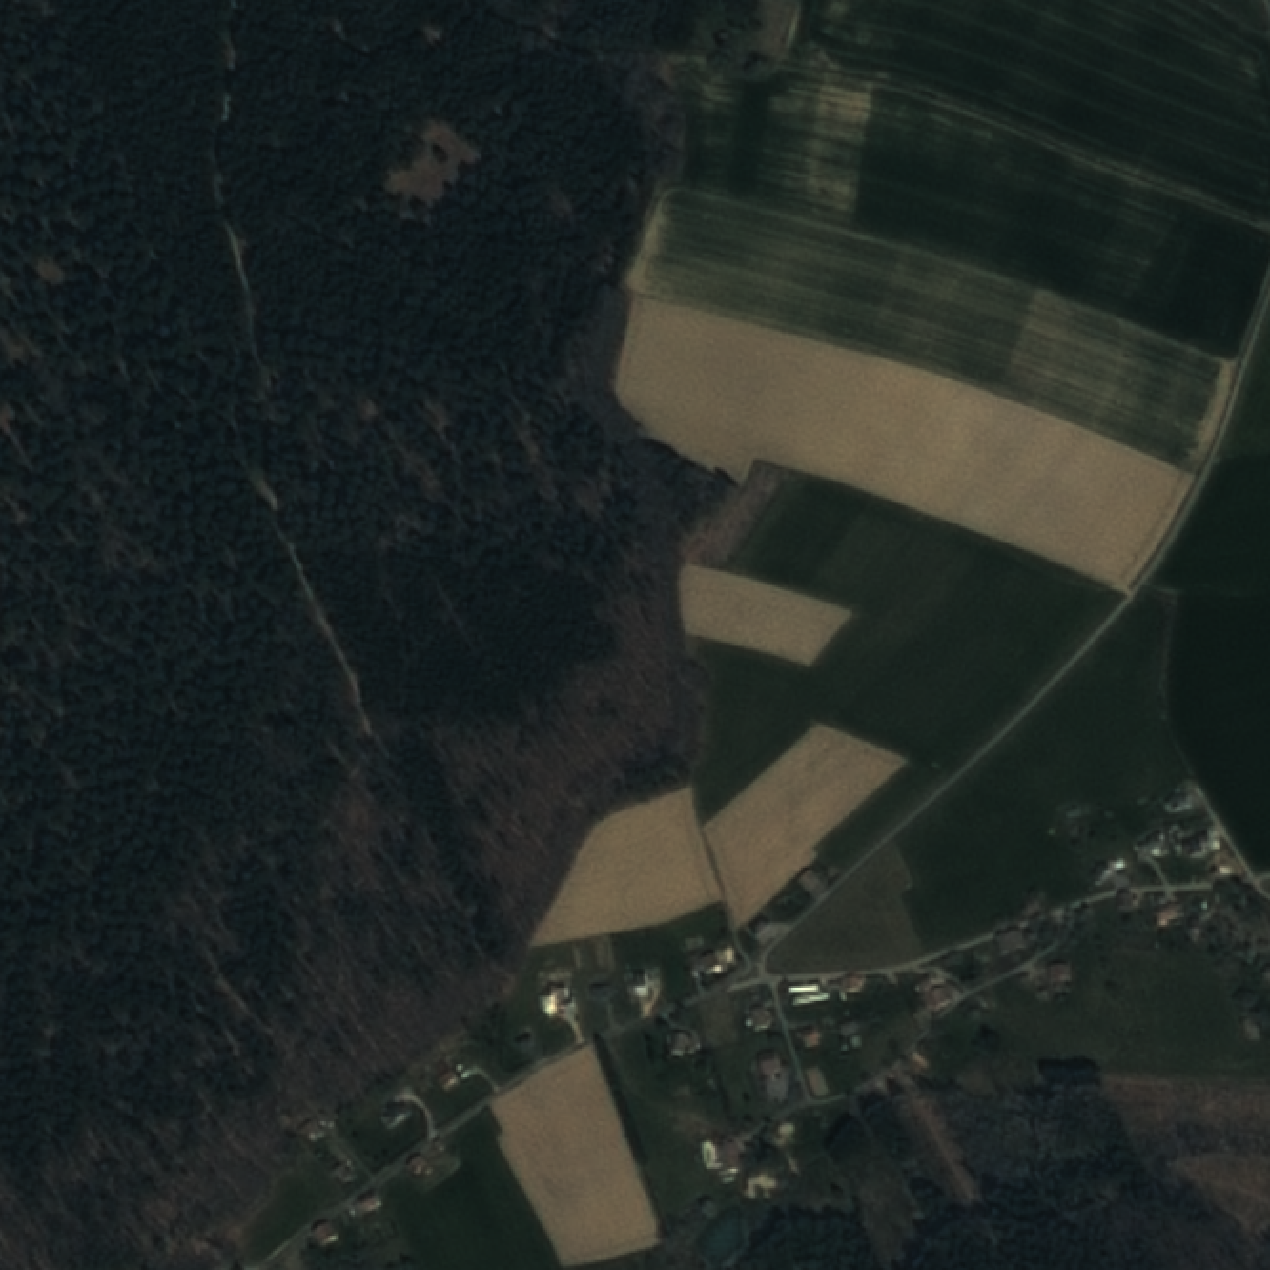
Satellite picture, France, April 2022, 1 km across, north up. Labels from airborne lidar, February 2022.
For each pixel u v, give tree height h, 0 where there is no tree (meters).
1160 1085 25
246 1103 27
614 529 18
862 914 0
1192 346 0
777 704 0
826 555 0
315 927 26
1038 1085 0
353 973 26
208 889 25
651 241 0
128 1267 25
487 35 22
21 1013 31
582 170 24
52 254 25
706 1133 19
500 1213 0
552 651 19
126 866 33
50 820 25
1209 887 0
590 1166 0
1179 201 0
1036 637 0
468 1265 0
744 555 0
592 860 0
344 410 32
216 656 37
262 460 31
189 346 37
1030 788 0
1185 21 0
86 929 8
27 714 12
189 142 24
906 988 0
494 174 17
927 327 0
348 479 29
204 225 24
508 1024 0
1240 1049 0
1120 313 0
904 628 0
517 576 21
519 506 25
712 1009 0
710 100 0
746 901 0
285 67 18
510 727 18
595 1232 0
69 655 23
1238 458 0
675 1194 0
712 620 0
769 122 0
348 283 26
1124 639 0
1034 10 0
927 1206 25
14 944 31
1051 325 0
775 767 0
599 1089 0
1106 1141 21
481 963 29
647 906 0
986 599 0
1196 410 0
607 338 29
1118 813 0
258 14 24
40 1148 31
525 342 25
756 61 7
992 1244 25
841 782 0
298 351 34
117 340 30
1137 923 12
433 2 17
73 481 34
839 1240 20
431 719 21
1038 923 11
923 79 0
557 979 0
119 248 36
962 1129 9
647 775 23
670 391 0
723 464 0
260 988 24
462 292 23
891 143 0
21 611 25
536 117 19
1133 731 0
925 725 0
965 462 0
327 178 19
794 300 0
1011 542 0
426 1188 0
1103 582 0
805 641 0
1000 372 0
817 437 0
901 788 0
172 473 35
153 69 20
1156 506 0
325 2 21
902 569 0
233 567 25
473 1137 0
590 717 18
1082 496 0
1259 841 0
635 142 21
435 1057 25
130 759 26
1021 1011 0
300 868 29
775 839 0
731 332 0
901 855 0
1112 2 0
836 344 0
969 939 0
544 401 34
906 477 0
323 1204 0
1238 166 0
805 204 0
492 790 17
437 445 34
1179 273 0
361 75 25
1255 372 0
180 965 33
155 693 34
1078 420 0
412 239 17
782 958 0
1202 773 0
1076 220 0
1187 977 0
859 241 0
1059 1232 31
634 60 22
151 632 16
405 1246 0
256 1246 0
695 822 0
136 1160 28
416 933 29
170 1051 31
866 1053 0
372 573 21
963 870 0
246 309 19
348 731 25
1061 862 0
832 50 0
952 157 0
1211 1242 24
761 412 0
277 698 31
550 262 20
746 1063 0
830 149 0
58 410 26
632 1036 0
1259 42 0
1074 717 0
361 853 24
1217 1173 26
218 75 21
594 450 35
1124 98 0
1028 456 0
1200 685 0
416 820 22
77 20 28
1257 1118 22
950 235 0
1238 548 0
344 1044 32
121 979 25
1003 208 0
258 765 30
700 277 0
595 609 19
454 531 29
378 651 22
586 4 23
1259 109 0
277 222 22
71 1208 26
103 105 21
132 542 24
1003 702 0
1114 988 6
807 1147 0
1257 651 0
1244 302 0
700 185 0
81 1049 32
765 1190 6
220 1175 25
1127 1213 22
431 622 22
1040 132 0
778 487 0
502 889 17
